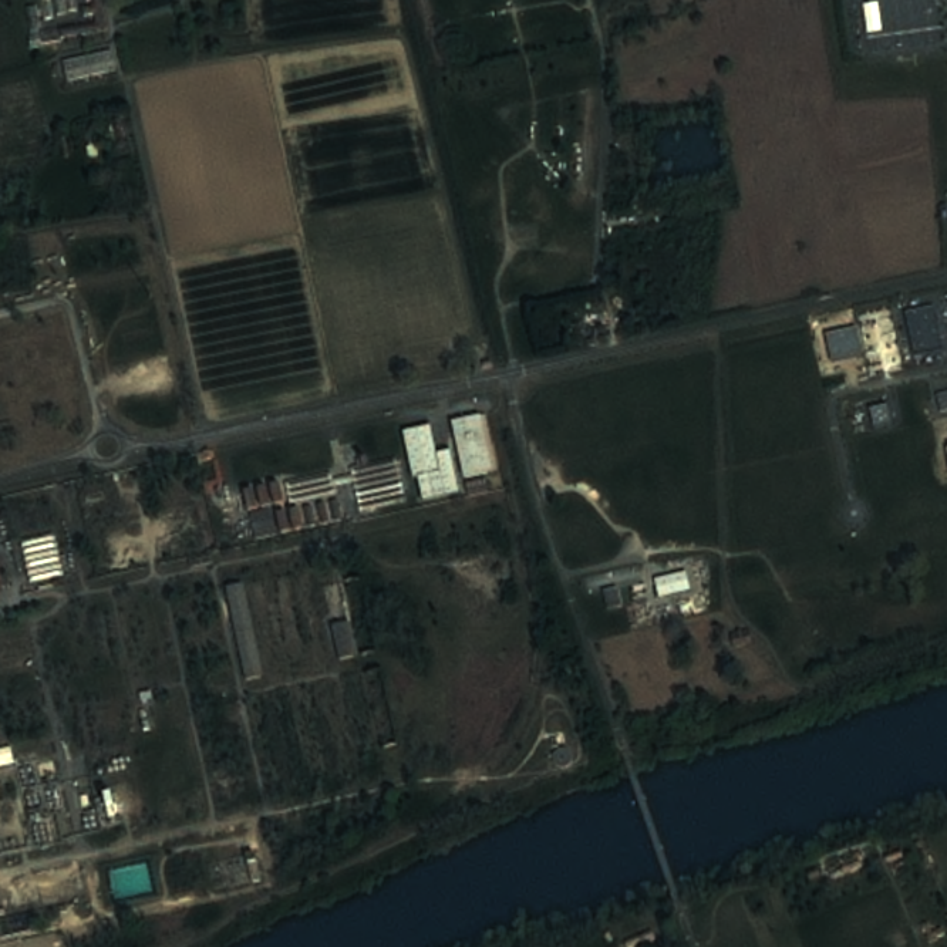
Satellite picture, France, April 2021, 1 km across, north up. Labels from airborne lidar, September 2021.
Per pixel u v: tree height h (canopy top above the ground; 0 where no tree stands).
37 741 15
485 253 0
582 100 0
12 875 0
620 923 15
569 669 6
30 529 12
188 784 0
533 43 0
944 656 17
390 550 0
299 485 0
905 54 0
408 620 21
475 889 0
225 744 15
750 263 0
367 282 0
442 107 0
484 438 0
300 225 0
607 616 0
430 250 0
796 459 0
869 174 0
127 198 24
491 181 0
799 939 0
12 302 0
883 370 0
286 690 7
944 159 0
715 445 0
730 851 0
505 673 0
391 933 0
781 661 0
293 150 0
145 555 0
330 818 13
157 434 0
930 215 0
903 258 0
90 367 0
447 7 0
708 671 0
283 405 0
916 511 0
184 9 9
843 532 0
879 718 0
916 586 30
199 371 0
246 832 0
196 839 10
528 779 0
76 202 0
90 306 0
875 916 0
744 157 0
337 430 0
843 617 0
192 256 0
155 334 0
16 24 0
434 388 0
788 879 11
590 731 14
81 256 0
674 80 0
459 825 29
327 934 0
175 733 0
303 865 10
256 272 0
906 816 11
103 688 0
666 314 8
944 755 0
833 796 0
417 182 0
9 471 0
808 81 0
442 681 0
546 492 0
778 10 0
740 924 0
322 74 0
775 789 0
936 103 0
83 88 16
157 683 0
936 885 6
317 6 0
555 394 0
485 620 0
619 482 0
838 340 0
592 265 0
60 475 0
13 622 14
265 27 0
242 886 0
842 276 0
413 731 9
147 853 0
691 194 16
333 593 0
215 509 0
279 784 7
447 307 0
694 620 0
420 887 0
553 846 0
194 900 0
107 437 0
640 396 0
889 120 0
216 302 0
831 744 0
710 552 0
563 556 0
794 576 0
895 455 0
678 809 0
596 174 0
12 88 0
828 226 0
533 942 21
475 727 0
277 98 0
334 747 10
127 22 0
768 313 0
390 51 0
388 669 0
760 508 0
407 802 9
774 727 15
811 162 0
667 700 0
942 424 0
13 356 0
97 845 0
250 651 0
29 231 7
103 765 10
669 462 0
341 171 0
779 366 0
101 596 0
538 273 0
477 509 0
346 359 0
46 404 0
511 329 0
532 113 0
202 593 16
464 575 0
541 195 0
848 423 0
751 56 0
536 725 0
